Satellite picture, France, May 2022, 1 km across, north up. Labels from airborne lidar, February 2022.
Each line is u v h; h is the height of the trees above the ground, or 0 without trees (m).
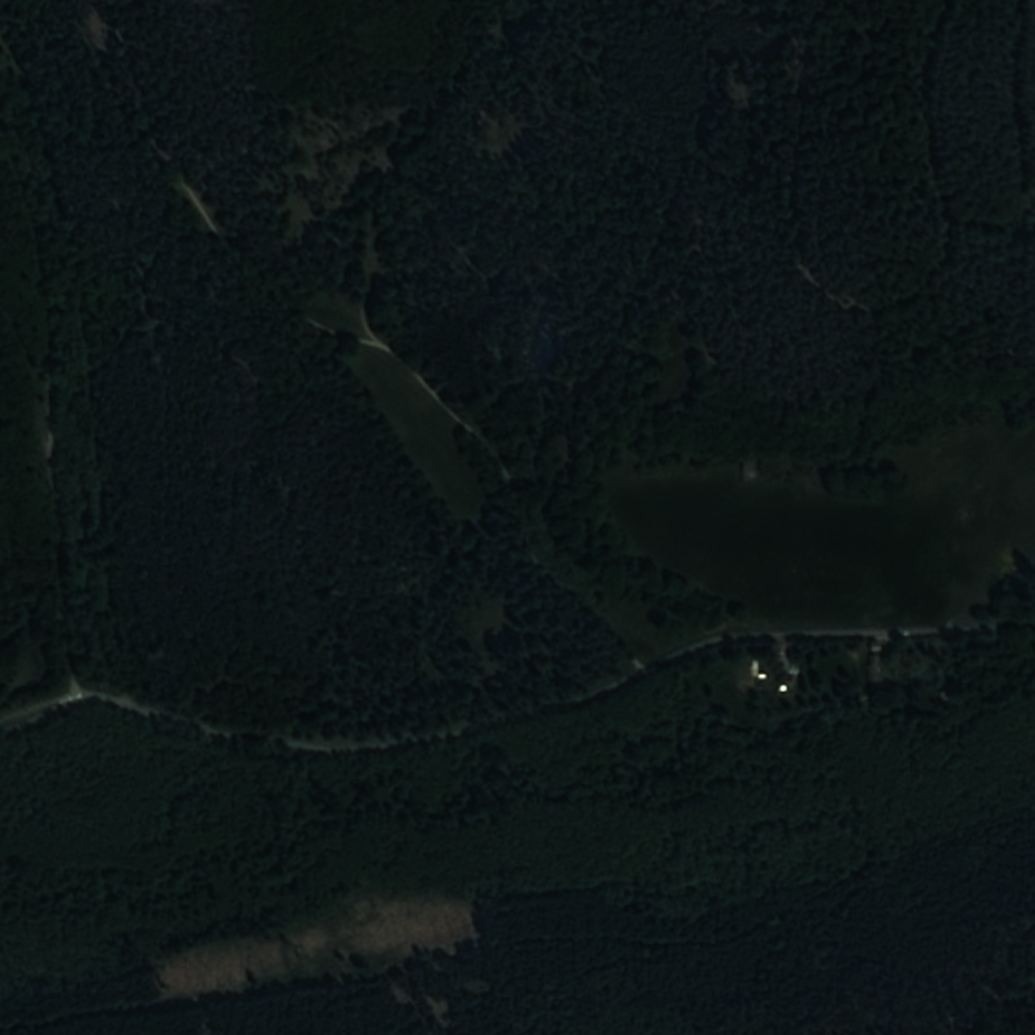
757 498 0
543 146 31
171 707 18
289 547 12
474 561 36
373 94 17
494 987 13
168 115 25
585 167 27
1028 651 9
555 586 33
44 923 16
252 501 11
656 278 17
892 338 28
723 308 27
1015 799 20
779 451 21
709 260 12
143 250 27
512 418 17
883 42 19
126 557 15
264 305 16
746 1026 24
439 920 0
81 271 22
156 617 15
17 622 13
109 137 24
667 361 0
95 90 29
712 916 15
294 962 0
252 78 20
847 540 0
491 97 36
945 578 0
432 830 15
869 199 19
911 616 0
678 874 20
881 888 15
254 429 14
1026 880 20
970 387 27
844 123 22
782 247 25
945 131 32
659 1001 19
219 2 19
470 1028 12
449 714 33
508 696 33
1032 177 22
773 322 26
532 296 30
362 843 18
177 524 14
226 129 28
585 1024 17
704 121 42
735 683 0
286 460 11
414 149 23
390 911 0
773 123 33
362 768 21
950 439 0
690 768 12
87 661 17
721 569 0
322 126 0
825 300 23
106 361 15
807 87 27
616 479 0
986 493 0
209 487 14
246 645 12
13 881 14
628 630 0
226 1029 17
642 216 24
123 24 24
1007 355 33
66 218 30
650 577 22
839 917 15
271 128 31
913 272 22
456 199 30
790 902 14
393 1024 14
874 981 24
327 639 13
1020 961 12
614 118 28
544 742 21
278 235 19
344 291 18
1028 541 0
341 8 20
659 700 22
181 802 12
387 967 0
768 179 27
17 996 20
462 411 25
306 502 13
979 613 15
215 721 18
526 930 18
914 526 0
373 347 0
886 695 19
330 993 15
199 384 15
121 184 27
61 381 25
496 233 25
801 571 0
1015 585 11
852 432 13
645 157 23
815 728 14
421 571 9
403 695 10
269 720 17
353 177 0
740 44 10
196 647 12
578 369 27
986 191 27
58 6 22
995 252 39
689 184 29
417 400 0
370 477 12
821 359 25
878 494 21
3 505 13
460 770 17
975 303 29
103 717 19
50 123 26
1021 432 12
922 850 12
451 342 17
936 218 24
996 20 30
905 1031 23
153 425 14
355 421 13
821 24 28
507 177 27
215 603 13
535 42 35
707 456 17
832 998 21
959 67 34
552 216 24
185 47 22
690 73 23
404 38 18
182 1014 20
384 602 8
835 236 22
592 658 32
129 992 20
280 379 12
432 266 24
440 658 28
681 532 0
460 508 0
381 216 22
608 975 13
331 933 0
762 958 15
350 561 8
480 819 18
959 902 14
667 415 16
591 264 37
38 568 15
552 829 18
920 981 25
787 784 16
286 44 22
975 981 24
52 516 13
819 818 19
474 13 22
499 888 19
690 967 11
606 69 19
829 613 0
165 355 14
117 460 17
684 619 24
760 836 20
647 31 20
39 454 9
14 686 0
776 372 23
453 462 0
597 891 20
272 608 13
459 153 23
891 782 20
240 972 0
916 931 18
